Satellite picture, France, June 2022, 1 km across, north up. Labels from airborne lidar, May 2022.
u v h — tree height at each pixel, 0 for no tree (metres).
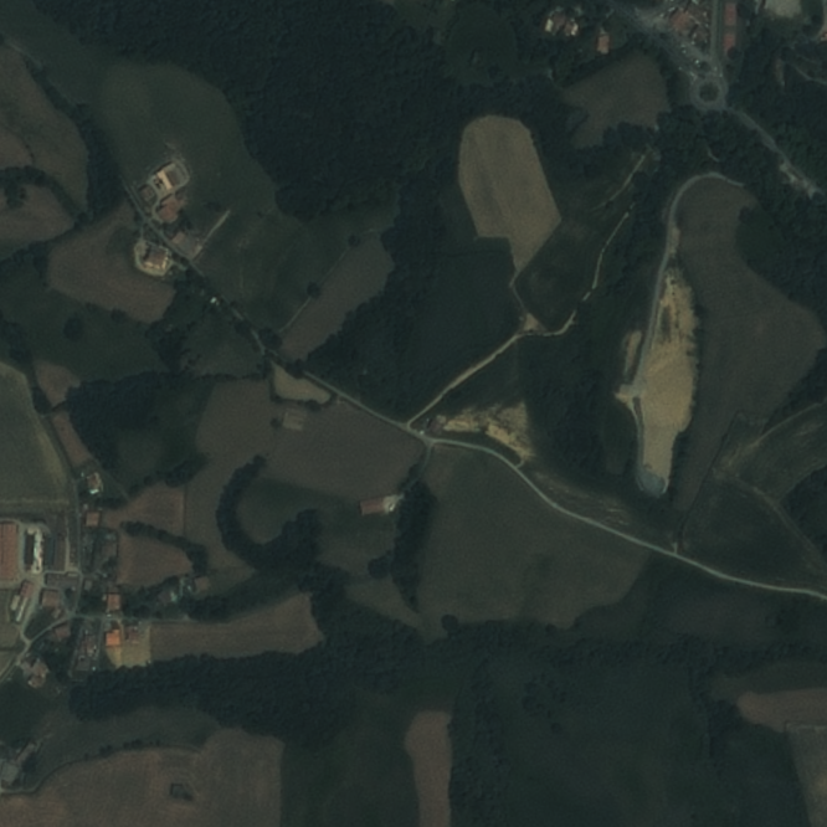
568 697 7
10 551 0
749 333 0
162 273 0
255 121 21
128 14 23
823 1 0
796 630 0
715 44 0
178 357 12
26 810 0
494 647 14
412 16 0
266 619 0
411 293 18
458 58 0
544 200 0
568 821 0
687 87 0
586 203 0
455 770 8
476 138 0
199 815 0
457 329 0
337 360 9
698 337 13
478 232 0
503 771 11
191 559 15
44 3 24
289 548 23
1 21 0
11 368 0
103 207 16
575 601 0
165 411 0
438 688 0
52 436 0
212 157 0
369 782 0
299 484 0
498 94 14
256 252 0
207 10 22
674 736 0
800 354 0
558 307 0
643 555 0
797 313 0
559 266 0
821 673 0
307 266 0
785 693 0
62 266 0
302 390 0
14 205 6
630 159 0
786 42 6
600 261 0
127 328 0
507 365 0
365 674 16
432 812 0
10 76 0
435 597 0
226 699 20
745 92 22
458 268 0
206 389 0
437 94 23
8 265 15
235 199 0
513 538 0
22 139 0
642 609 0
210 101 0
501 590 0
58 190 9
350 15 21
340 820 0
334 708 20
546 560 0
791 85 8
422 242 23
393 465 0
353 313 8
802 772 0
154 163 0
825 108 17
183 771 0
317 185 26
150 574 0
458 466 0
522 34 20
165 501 0
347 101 21
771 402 0
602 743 0
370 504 0
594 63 12
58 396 0
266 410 0
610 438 0
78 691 21
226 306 9
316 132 21
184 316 0
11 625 0
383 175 28
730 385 0
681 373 0
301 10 19
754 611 0
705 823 0
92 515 0
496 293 0
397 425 0
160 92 0
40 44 0
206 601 12
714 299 0
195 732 0
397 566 12
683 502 0
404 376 9
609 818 0
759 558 0
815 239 21
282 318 0
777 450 0
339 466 0
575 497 0
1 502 0
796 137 21
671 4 0
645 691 0
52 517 0
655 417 0
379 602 0
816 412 0
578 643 9
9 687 0
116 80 0
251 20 20
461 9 8
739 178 14
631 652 15
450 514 0
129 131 0
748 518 0
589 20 17
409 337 13
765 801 0
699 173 14
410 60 12
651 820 0
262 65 27
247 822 0
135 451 0
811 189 0
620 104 0
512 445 0
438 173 15
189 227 8
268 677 18
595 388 17
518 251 0
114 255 0
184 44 23
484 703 9
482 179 0
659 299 0
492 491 0
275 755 0
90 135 21
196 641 0
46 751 0
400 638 12
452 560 0
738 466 0
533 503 0
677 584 0
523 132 0
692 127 23
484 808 14
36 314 0
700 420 0
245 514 0
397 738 0
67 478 0
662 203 14
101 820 0
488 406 0
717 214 0
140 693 22
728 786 6
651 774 0
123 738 0
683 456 10
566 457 7
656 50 19
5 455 0
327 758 0
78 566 0
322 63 22
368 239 0
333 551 0
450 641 6
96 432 25
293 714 15
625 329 0
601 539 0
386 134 24
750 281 0
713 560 0
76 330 19
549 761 0
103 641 0
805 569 0
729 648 11
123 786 0
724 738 13
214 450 0
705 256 0
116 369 0
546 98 20
